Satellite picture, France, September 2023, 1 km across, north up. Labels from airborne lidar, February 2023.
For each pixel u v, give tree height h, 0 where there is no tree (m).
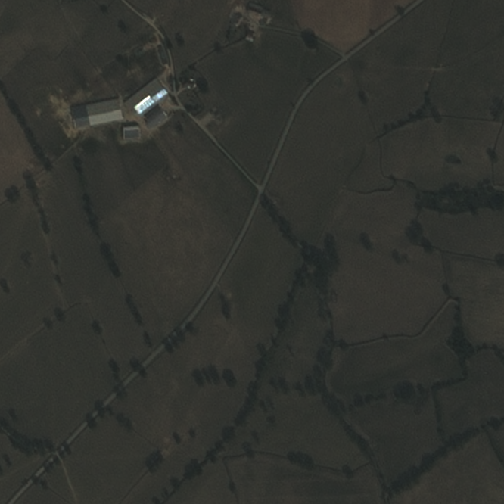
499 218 0
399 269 0
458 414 0
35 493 0
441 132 0
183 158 0
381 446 0
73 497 0
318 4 0
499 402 0
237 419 7
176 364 0
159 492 0
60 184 0
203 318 0
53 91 0
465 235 0
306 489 0
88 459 0
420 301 0
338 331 0
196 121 0
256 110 0
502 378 0
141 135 0
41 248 0
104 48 0
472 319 0
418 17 0
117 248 0
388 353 0
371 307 0
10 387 0
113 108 0
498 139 0
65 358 0
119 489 0
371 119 0
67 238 0
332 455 0
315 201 0
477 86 0
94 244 0
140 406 0
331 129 0
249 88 0
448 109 0
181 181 0
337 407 21
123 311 0
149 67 0
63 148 0
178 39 15
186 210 0
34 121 0
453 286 0
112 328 0
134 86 0
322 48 0
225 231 0
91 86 0
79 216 0
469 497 0
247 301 0
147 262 0
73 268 0
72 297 0
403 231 0
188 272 0
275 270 0
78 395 0
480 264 0
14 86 0
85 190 0
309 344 0
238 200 0
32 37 0
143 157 0
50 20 0
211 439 0
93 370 0
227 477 0
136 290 0
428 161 0
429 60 0
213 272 0
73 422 0
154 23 0
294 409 0
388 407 0
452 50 0
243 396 0
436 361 0
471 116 0
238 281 0
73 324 0
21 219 0
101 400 0
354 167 0
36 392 0
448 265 0
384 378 0
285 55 0
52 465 13
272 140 0
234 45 0
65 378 0
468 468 0
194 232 0
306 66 0
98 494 0
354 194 0
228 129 0
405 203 0
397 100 0
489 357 0
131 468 0
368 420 0
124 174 0
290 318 19
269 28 0
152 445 0
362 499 0
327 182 0
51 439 0
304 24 0
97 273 0
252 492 0
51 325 11
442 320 0
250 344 0
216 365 0
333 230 0
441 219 0
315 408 0
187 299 0
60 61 0
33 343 0
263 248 0
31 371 0
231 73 0
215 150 0
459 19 0
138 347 0
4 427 17
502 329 0
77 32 0
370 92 0
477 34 0
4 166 0
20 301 0
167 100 0
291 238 16
